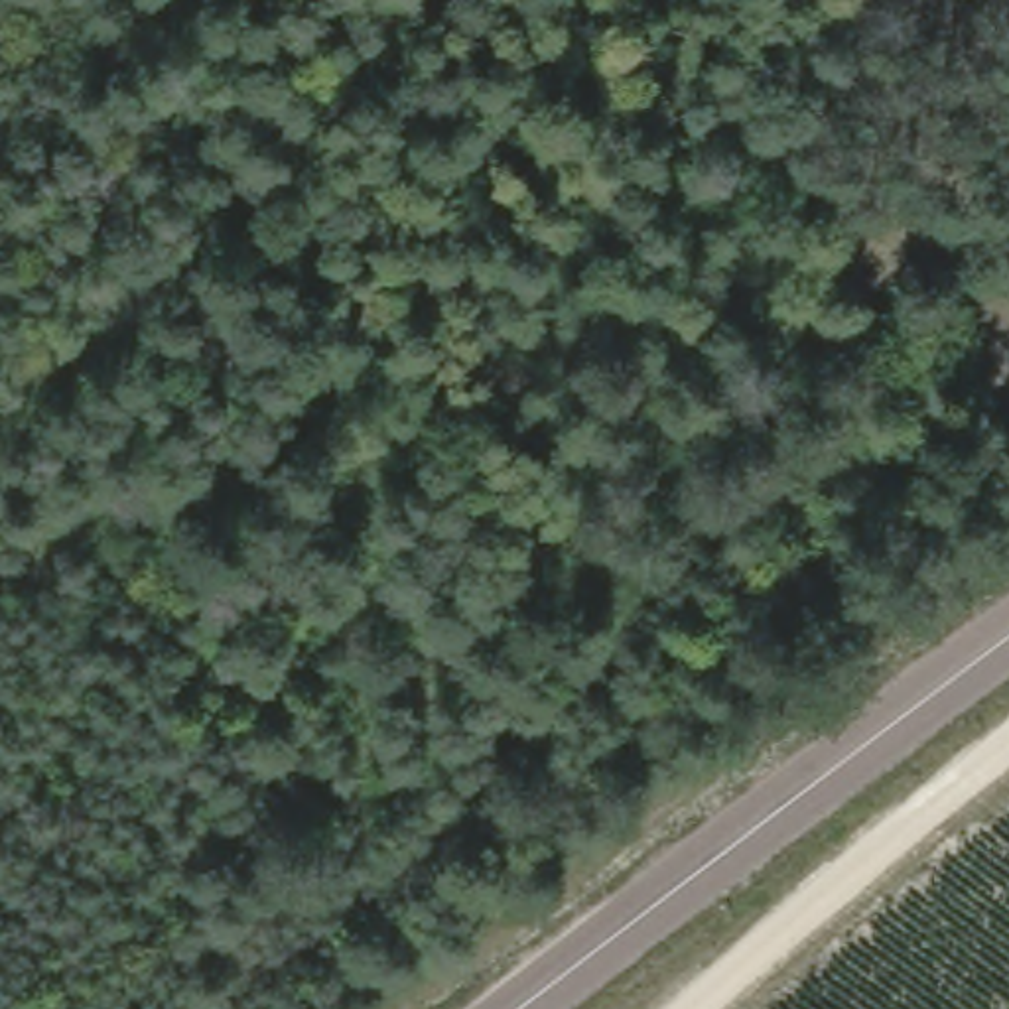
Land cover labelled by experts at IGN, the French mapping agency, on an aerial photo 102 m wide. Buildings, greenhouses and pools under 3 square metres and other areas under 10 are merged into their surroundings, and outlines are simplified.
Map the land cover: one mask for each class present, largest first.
<instances>
[{"label":"coniferous trees","instance_id":"1","mask_svg":"<svg viewBox=\"0 0 1009 1009\"><path fill-rule=\"evenodd\" d=\"M989 599L1009 603V0H0V1009H378V989L394 970H414L418 962L441 950L473 954L481 934L489 930V903L524 899L540 891L564 895L568 836L595 832L615 851L631 843L650 804V776L674 769L678 757L733 749L745 765H753L761 749H769L788 729H812L816 737L840 733L851 717L863 713L875 690L899 666L922 658L926 646H938Z\"/></svg>","mask_w":1009,"mask_h":1009},{"label":"herbaceous vegetation","instance_id":"2","mask_svg":"<svg viewBox=\"0 0 1009 1009\"><path fill-rule=\"evenodd\" d=\"M993 725L1009 729V682L985 694L966 713H958L934 737H926L910 757L875 776L863 792L840 804L808 836L776 851L745 887L729 891L725 899H713V907H706L702 914L670 930L662 942H654L639 962L619 970L603 989H595L575 1009H658L694 974L709 970L741 934H749L784 895H792L800 879H808L832 855H840L855 832L879 820L887 808L903 804L914 788H922L938 769H946ZM753 784V765H745L733 749L678 757L674 769L650 776V804L631 843L615 851L595 832L568 836L564 895L540 891L524 899L489 903V930L481 934L473 954L441 950L418 962L414 970H394L378 989V1009H461L489 981L508 974L520 954L536 950L575 914L627 887L654 855L694 836L721 804L745 796ZM1009 816V773L985 792H977L970 804H962L954 816H946L938 828H930L895 867H887L863 895L836 910L816 934H808L729 1009H773V1001L796 993L808 974L824 970L843 946L871 938L879 910L903 907L910 891H926L938 879L946 855H954L977 832L997 828Z\"/></svg>","mask_w":1009,"mask_h":1009},{"label":"impervious surface","instance_id":"3","mask_svg":"<svg viewBox=\"0 0 1009 1009\"><path fill-rule=\"evenodd\" d=\"M1009 682V603L989 599L938 646H926L922 658L899 666L875 690L863 713L851 717L840 733L816 737L812 729H788L769 749H761L753 765V784L745 796L721 804L694 836L654 855L627 887L575 914L536 950L520 954L508 974L489 981L461 1009H575L595 989H603L619 970L639 962L654 942H662L670 930L702 914L706 907H713V899H725L729 891L745 887L776 851L808 836L840 804L863 792L875 776L910 757L926 737H934L958 713H966L985 694Z\"/></svg>","mask_w":1009,"mask_h":1009},{"label":"vineyard","instance_id":"4","mask_svg":"<svg viewBox=\"0 0 1009 1009\"><path fill-rule=\"evenodd\" d=\"M773 1009H1009V816L997 828L977 832L954 855H946L938 879L926 891H910L903 907L879 910L871 938L843 946L824 970L808 974L796 993L773 1001Z\"/></svg>","mask_w":1009,"mask_h":1009},{"label":"pervious surface","instance_id":"5","mask_svg":"<svg viewBox=\"0 0 1009 1009\"><path fill-rule=\"evenodd\" d=\"M1009 773V729L993 725L946 769H938L922 788H914L903 804L887 808L879 820L855 832L840 855H832L808 879H800L792 895H784L749 934H741L709 970L694 974L658 1009H729L808 934H816L836 910L863 895L887 867H895L930 828H938L946 816H954L962 804H970L977 792H985Z\"/></svg>","mask_w":1009,"mask_h":1009}]
</instances>
